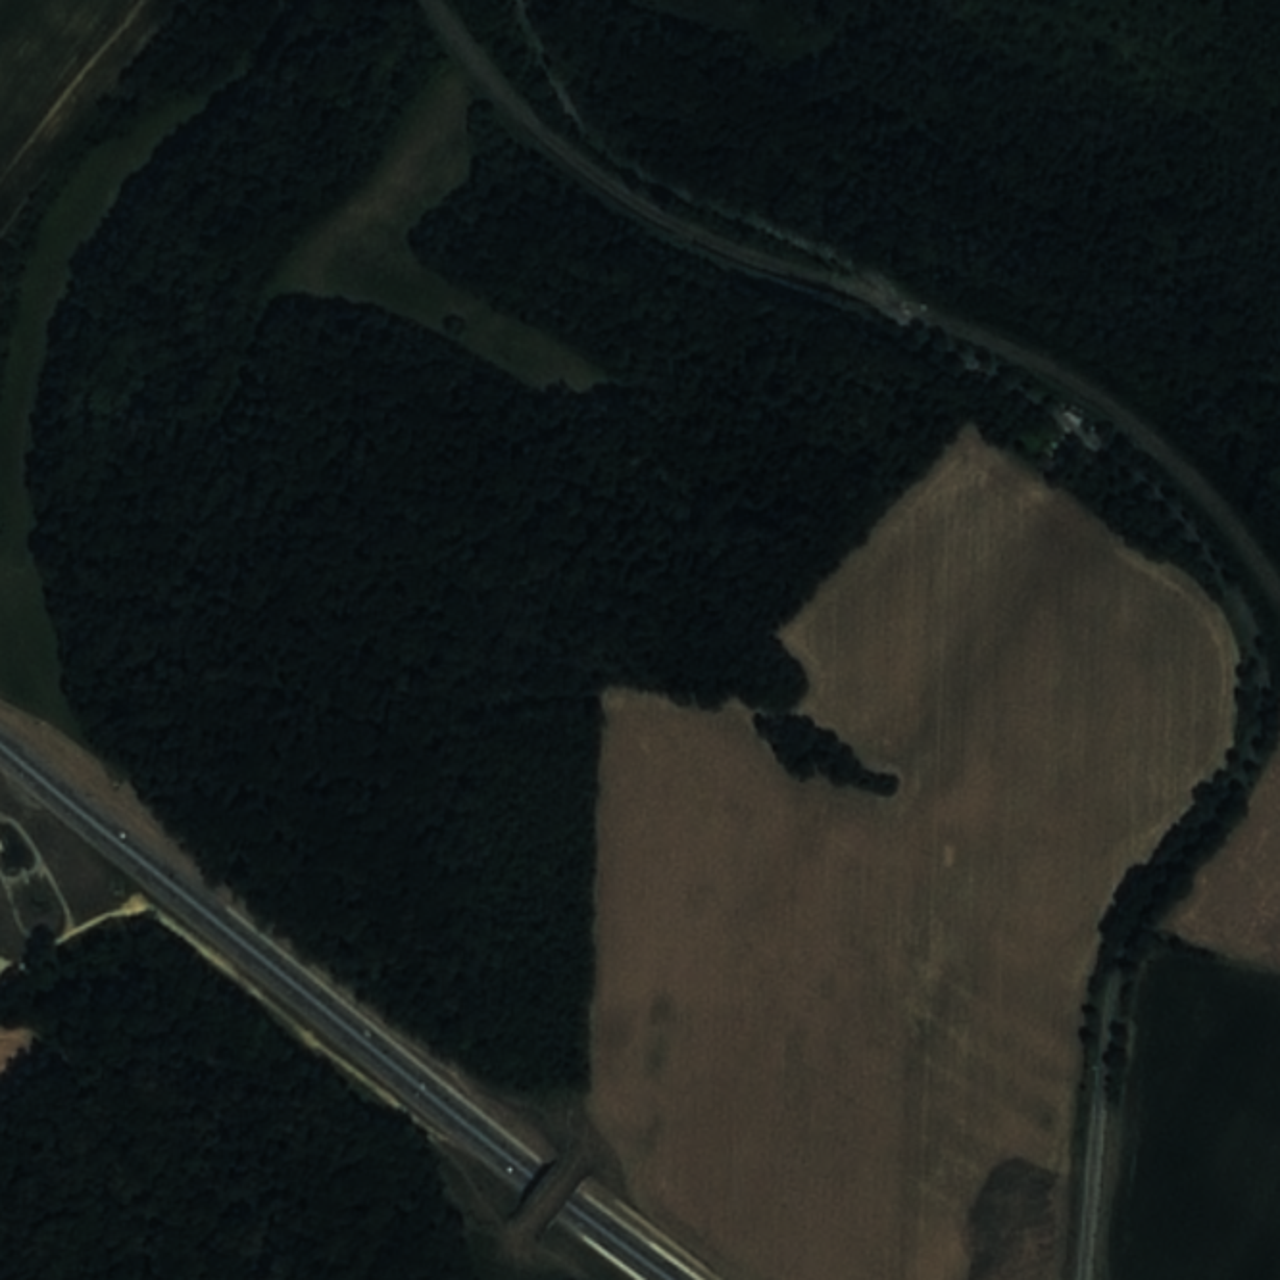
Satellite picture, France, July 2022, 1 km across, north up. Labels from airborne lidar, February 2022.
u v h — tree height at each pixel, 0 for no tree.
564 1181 0
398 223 0
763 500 17
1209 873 0
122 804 0
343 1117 23
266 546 21
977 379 7
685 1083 0
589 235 25
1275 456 18
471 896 19
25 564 0
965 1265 0
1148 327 23
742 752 0
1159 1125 0
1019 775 0
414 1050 0
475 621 27
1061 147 22
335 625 20
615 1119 0
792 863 0
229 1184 26
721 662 19
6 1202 28
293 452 25
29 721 0
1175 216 22
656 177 16
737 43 13
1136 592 0
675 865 0
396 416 20
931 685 0
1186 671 0
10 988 21
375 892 28
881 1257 0
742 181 25
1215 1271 0
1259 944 0
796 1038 0
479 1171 0
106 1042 31
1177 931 0
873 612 0
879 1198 0
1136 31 13
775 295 22
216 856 24
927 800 0
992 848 0
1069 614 0
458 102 0
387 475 19
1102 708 0
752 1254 0
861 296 0
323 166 24
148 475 20
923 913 0
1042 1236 0
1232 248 17
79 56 0
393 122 16
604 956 0
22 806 0
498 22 12
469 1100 0
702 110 30
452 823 20
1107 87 9
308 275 0
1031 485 0
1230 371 9
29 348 0
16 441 0
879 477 22
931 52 27
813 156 31
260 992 0
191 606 22
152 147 0
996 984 0
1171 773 0
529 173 22
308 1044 0
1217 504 0
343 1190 23
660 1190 0
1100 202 21
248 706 27
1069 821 0
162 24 0
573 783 17
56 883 0
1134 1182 0
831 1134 0
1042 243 31
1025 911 0
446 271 15
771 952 0
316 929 22
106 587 18
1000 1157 0
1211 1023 0
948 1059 0
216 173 23
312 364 22
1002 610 0
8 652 0
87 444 24
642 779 0
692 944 0
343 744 29
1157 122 13
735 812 0
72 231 0
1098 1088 0
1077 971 0
